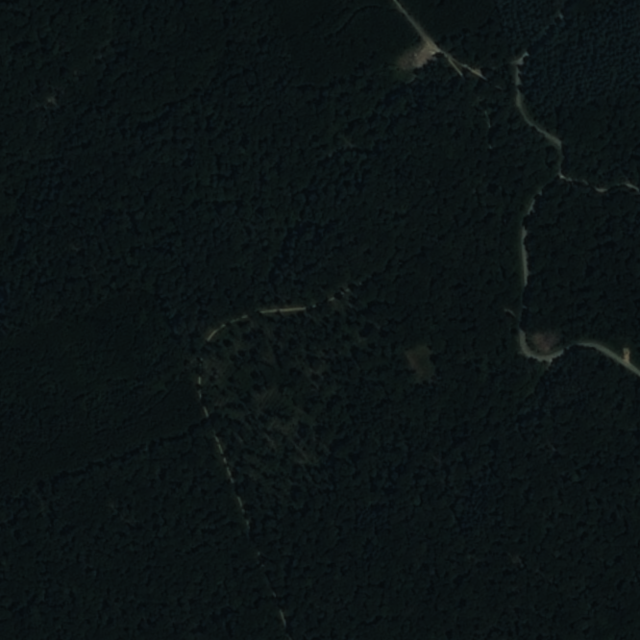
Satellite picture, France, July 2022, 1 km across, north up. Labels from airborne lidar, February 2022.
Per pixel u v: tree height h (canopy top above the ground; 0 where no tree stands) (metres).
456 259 24
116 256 24
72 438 8
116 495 26
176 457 26
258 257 31
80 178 25
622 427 26
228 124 22
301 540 27
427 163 25
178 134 30
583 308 24
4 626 32
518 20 26
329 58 10
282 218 18
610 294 27
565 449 27
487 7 12
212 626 30
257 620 28
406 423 21
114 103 28
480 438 31
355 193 29
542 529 30
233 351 26
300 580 28
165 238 30
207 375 27
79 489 25
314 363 29
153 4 27
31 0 32
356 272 26
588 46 32
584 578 26
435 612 26
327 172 27
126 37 33
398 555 28
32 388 7
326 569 26
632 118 31
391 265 22
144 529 27
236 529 27
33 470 9
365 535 28
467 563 27
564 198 28
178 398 11
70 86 19
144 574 29
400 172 25
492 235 27
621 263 27
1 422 7
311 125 27
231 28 27
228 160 28
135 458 25
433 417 26
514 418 18
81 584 25
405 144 28
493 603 25
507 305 26
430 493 29
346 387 23
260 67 27
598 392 25
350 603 29
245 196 30
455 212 23
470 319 28
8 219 24
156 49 24
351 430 19
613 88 27
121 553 30
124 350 8
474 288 29
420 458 28
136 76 25
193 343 23
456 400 28
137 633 28
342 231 22
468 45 27
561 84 32
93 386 7
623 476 28
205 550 30
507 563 25
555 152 18
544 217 30
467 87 27
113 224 32
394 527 28
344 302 28
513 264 19
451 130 20
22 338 6
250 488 25
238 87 25
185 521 27
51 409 7
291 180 28
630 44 22
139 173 28
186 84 24
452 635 22
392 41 12
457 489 26
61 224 26
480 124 29
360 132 25
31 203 21
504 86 7
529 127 15
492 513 11
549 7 18
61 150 29
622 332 17
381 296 28
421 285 26
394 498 31
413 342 27
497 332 30
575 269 31
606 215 28
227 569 28
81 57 24
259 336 27
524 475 24
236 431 26
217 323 23
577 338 21
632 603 31
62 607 29
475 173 27
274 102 24
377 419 23
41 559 32
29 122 28
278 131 27
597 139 26
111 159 29
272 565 27
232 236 29
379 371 5
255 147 29
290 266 30
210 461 25
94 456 11
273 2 13
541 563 28
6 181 30
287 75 24
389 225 29
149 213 30
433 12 13
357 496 28
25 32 29
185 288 27
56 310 25
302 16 8
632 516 28
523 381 22
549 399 17
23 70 16
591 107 24
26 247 25
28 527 30
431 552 28
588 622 28
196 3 23
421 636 25
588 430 27
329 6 8
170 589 28
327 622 24
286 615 23
